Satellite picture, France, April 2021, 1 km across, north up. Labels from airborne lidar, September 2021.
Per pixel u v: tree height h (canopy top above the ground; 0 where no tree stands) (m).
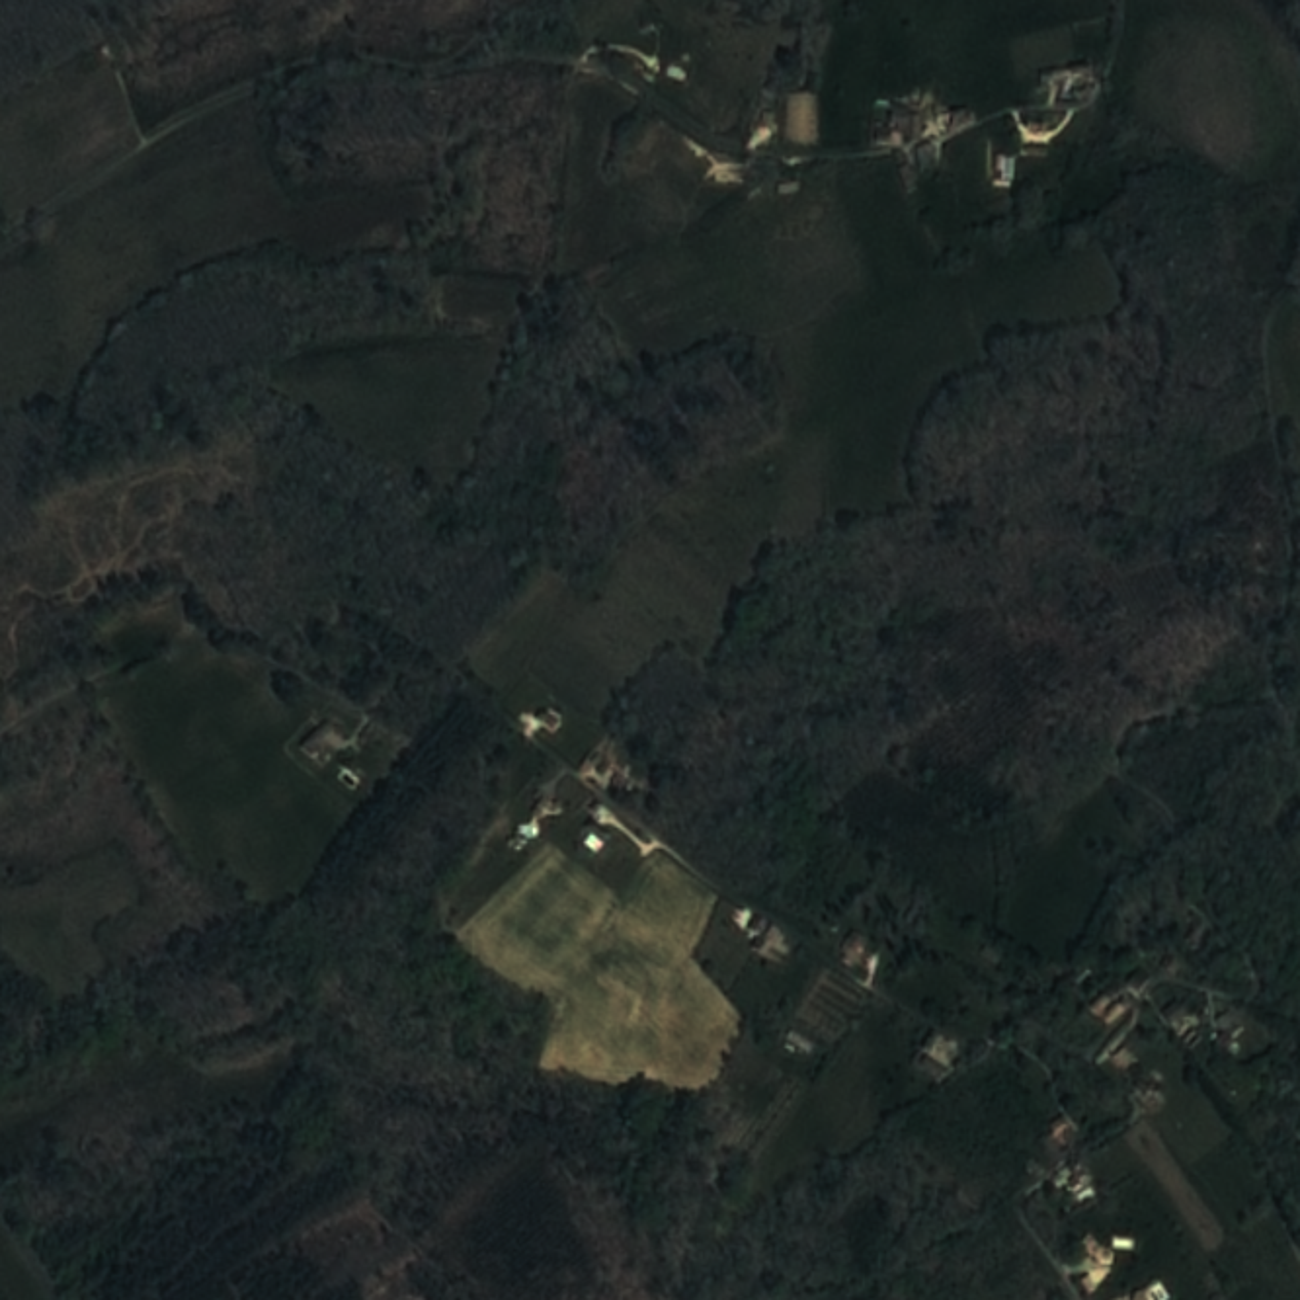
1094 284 0
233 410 25
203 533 12
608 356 23
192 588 13
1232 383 9
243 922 13
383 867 14
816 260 0
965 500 11
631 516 9
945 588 12
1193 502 15
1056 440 11
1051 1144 0
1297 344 0
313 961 18
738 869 16
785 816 21
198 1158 16
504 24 18
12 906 0
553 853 0
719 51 0
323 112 16
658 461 25
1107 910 6
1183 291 14
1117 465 9
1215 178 11
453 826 14
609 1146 19
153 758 0
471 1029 13
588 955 0
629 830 0
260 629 13
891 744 16
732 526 0
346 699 14
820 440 0
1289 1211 12
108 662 23
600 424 16
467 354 0
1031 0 0
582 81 0
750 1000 0
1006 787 16
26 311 0
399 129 14
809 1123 0
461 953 18
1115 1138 9
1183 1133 0
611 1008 0
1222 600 17
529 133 14
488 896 0
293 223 0
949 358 0
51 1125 0
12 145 0
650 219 0
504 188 15
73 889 0
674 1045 0
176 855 12
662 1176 6
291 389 0
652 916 0
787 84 17
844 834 14
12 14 19
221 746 0
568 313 16
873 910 10
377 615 12
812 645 17
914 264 0
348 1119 9
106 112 0
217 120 0
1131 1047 7
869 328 0
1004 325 0
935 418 11
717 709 19
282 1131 17
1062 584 7
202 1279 13
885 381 0
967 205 0
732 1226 11
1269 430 8
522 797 0
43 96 0
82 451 21
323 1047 14
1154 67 0
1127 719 16
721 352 14
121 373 17
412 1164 12
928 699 8
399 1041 11
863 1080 0
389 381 0
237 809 0
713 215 8
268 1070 0
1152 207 11
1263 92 0
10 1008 21
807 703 23
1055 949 0
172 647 14
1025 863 9
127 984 13
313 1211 15
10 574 6
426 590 19
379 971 14
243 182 0
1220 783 18
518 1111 8
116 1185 12
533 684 0
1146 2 0
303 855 0
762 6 10
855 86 0
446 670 13
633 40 0
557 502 7
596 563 13
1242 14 0
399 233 0
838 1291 6
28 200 0
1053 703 18
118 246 0
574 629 0
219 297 15
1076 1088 9
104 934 0
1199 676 20
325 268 9
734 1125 8
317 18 14
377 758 0
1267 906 18
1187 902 13
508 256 6
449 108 7
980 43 0
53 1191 25
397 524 21
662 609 0
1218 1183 0
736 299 0
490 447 13
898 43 0
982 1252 8
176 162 0
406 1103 15
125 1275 14
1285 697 17
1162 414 16
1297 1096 14
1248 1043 0
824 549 15
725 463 10
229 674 0
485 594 15
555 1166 8
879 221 0
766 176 16
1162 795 9
